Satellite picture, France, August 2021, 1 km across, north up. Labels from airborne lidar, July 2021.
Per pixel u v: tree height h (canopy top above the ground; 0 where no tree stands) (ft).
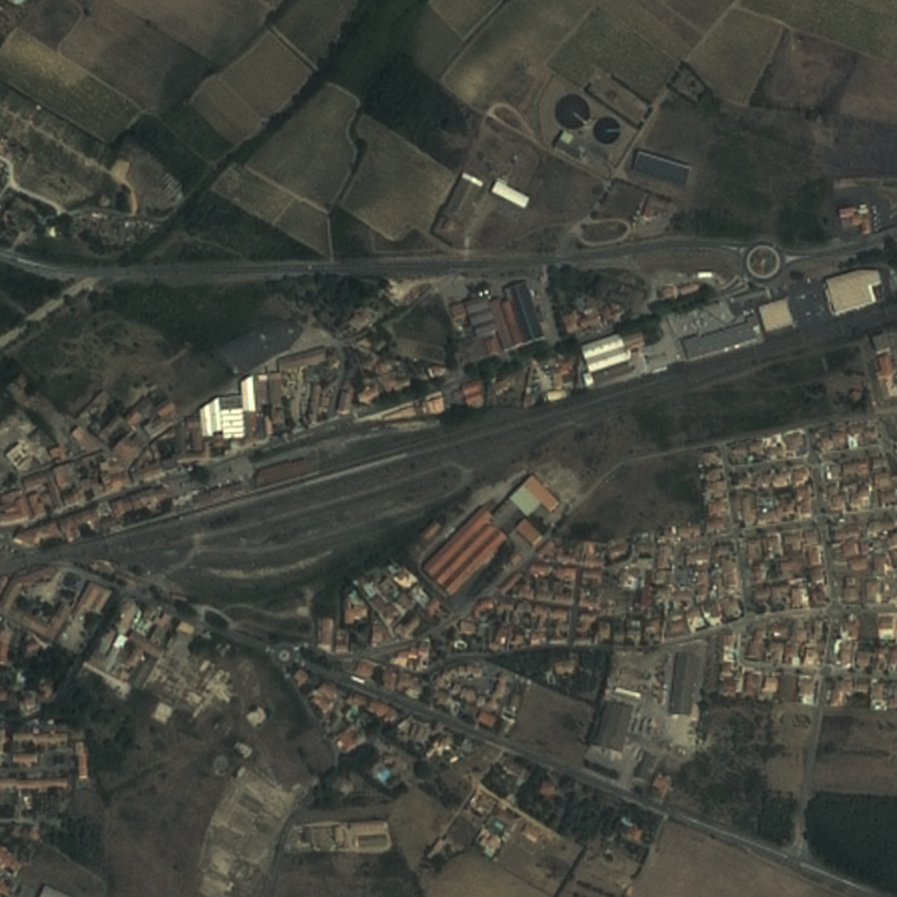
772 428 0
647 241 0
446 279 0
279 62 0
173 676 0
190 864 0
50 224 27
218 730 0
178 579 0
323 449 0
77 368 0
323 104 0
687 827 0
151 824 0
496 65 0
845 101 0
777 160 0
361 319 0
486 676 0
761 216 0
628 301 0
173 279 0
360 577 33
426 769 34
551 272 34
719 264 0
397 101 22
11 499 0
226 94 0
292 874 0
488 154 0
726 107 0
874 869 28
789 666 0
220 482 0
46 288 20
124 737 26
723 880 0
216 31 0
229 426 0
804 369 0
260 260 23
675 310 36
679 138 0
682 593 0
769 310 0
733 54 0
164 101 0
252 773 0
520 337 0
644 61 0
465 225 0
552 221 0
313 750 0
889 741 0
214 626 56
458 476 0
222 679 0
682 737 0
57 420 0
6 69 0
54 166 0
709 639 0
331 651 0
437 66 0
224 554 0
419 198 0
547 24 0
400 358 30
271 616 0
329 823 0
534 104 0
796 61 0
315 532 0
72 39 0
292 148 0
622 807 20
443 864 30
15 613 0
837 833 25
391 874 0
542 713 0
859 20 0
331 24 0
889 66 0
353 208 0
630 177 0
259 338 0
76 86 0
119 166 0
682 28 0
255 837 0
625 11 0
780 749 0
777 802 20
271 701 0
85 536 29
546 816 20
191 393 0
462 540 0
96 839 22
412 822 0
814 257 0
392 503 0
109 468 0
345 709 20
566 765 0
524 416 0
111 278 0
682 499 0
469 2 0
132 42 0
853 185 0
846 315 0
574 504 0
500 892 0
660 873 0
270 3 0
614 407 0
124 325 0
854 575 0
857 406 20
